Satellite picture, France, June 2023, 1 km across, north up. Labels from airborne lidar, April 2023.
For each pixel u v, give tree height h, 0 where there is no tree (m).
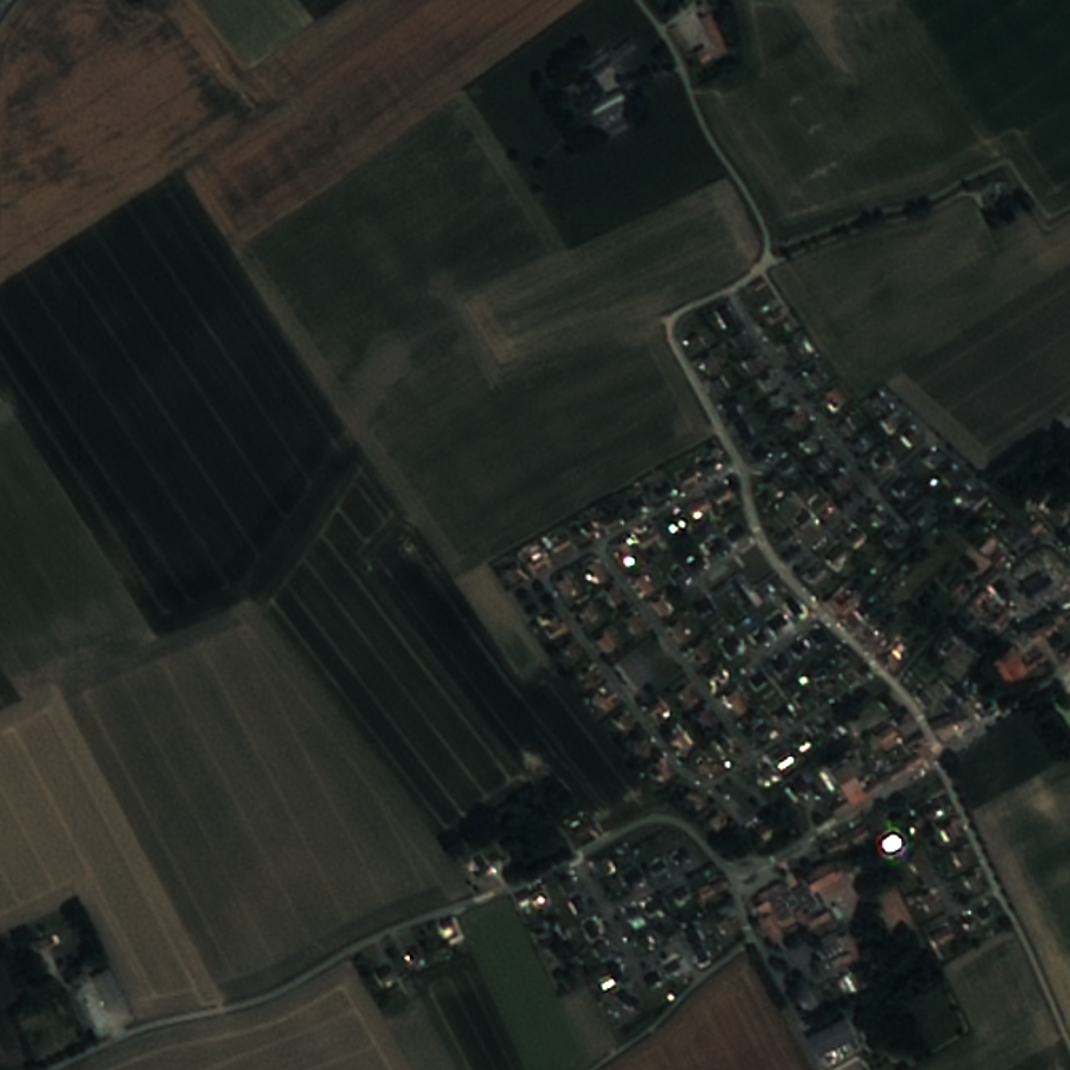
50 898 0
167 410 0
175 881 0
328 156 0
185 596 0
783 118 0
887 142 0
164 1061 0
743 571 0
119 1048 0
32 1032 0
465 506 0
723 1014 0
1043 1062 0
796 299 0
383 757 0
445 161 0
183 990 0
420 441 0
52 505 0
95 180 0
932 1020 0
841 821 0
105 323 0
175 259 0
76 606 0
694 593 0
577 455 0
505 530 0
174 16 0
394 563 0
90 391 0
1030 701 6
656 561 0
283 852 0
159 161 0
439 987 0
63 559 0
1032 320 0
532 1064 0
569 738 0
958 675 0
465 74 0
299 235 0
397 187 0
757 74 0
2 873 0
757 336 0
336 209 0
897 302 0
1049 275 0
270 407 0
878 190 0
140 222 0
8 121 0
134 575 0
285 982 0
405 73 0
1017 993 0
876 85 0
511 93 0
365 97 0
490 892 0
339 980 0
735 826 10
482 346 0
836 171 0
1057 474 13
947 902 0
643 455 0
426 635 0
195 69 0
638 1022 0
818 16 0
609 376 0
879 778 0
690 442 0
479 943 0
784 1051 0
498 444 0
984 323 0
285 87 0
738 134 0
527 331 0
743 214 0
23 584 0
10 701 0
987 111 0
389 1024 0
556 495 0
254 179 0
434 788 0
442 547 0
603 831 0
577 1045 0
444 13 0
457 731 0
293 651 0
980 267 0
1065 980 0
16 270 0
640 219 0
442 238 0
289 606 0
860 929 15
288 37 0
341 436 0
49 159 0
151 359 0
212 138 0
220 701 0
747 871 0
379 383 0
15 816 0
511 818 10
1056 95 0
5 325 0
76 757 0
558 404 0
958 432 0
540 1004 0
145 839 0
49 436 0
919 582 0
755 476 0
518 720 0
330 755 0
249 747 0
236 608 0
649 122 0
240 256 0
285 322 0
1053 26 0
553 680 0
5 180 0
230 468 0
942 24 0
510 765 0
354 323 0
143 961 0
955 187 0
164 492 0
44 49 0
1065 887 0
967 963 0
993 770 0
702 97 0
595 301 0
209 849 0
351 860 0
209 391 0
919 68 0
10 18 0
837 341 0
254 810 0
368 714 0
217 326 0
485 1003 0
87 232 0
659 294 0
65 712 0
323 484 0
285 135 0
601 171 0
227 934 0
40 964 16
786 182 0
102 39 0
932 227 0
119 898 0
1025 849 0
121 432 0
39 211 0
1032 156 0
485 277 0
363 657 0
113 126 0
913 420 0
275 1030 0
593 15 0
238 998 0
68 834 0
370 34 0
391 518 0
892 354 0
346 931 0
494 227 0
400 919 0
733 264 0
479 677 0
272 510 0
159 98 0
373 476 0
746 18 0
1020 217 0
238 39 0
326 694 0
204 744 0
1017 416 0
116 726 0
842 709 15
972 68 0
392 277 0
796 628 0
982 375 0
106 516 0
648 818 0
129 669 0
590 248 0
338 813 0
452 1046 0
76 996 0
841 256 0
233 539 0
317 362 0
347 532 0
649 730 0
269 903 0
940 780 0
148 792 0
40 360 0
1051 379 0
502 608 0
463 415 0
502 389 0
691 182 0
